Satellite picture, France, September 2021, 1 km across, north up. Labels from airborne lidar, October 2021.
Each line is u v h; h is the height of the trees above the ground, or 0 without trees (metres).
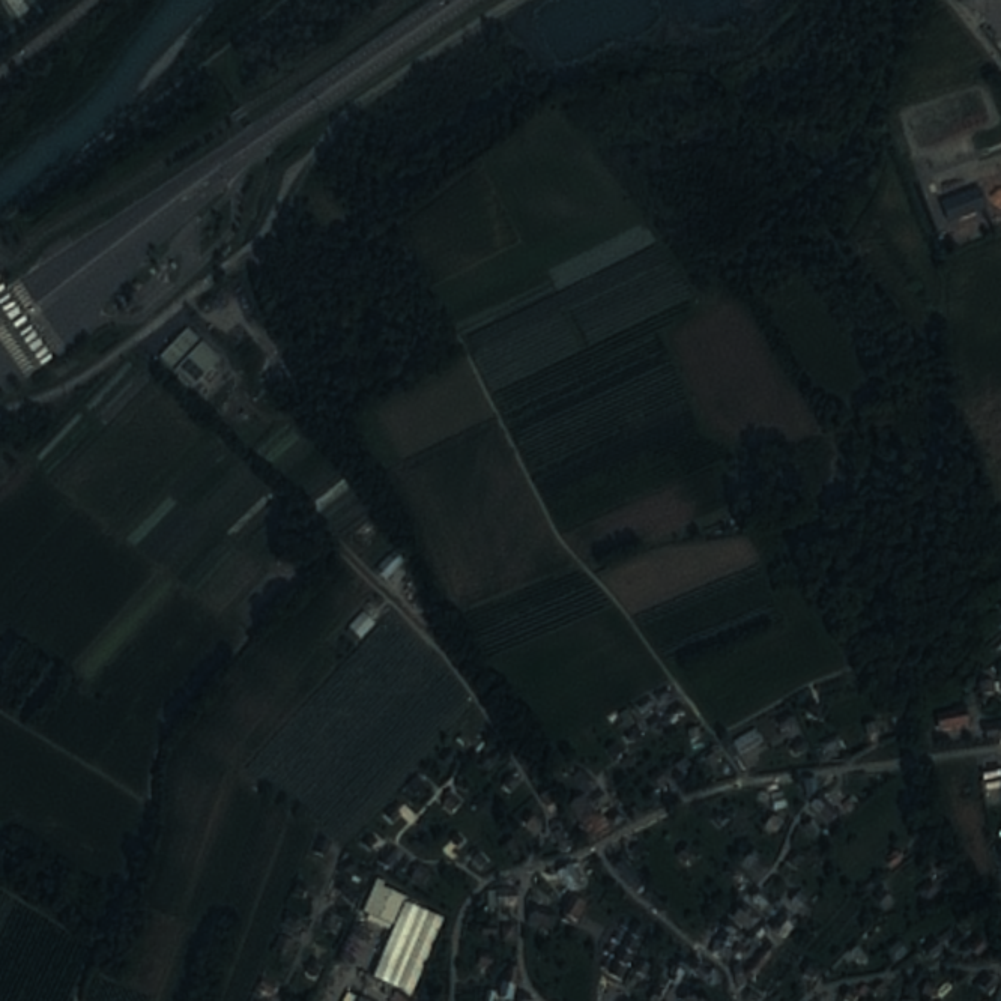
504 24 0
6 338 0
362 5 20
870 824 0
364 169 25
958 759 0
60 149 0
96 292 0
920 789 23
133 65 0
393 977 0
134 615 0
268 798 14
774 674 0
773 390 0
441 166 8
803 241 7
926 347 22
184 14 0
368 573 0
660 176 14
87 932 30
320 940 0
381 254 23
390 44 0
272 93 0
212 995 18
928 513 17
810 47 12
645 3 0
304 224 17
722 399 0
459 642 25
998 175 0
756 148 21
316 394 23
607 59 8
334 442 25
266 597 0
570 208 0
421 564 10
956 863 25
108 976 12
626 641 0
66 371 0
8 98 19
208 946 19
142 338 0
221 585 0
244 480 0
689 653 6
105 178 16
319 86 0
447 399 0
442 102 8
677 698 0
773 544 0
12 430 22
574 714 0
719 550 0
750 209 16
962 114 0
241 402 0
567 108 12
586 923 0
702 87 14
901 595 30
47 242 0
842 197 34
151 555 0
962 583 32
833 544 27
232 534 0
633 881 0
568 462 6
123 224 0
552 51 0
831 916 0
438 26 0
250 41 9
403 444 0
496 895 0
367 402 25
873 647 23
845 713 0
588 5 0
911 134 0
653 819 0
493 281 0
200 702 21
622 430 6
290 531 28
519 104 17
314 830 0
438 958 6
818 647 0
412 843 6
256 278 15
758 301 7
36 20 13
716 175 18
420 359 24
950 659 27
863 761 0
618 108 7
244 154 0
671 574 0
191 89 18
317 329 15
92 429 0
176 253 0
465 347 6
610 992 0
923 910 11
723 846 0
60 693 14
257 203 0
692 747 0
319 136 0
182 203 0
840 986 0
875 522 24
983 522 31
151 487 0
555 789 16
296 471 0
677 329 0
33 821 0
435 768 8
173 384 19
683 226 12
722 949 0
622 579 0
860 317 21
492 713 19
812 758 6
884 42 13
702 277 13
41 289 0
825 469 0
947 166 0
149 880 16
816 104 22
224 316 0
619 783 13
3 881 15
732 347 0
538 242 0
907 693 29
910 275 8
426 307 32
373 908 0
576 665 0
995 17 0
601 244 0
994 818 0
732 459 8
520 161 0
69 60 5
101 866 0
